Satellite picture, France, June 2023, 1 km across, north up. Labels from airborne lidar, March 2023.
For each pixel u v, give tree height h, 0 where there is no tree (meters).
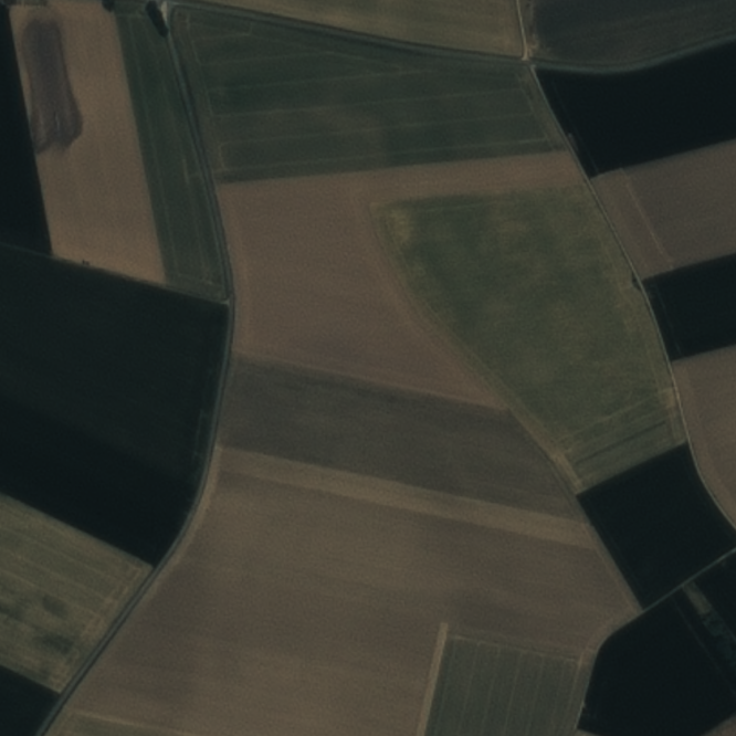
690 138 0
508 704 0
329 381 0
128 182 0
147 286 0
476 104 0
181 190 0
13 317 0
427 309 0
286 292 0
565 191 0
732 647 14
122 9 0
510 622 0
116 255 0
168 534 0
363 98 0
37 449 0
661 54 0
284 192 0
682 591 0
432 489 0
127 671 0
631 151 0
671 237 0
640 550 0
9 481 0
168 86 0
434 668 0
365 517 0
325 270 0
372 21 0
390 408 0
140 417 0
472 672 0
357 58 0
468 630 0
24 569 0
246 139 0
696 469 0
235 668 0
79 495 0
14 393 0
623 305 0
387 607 0
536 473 0
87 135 0
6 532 0
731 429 0
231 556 0
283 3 0
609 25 0
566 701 0
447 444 0
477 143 0
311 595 0
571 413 0
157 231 0
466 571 0
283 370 0
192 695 0
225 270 0
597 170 0
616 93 0
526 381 0
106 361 0
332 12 0
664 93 0
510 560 0
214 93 0
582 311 0
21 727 0
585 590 0
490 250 0
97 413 0
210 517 0
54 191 0
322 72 0
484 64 0
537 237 0
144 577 0
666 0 0
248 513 0
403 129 0
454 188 0
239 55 0
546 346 0
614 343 0
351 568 0
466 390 0
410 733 0
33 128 0
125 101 0
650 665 0
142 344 0
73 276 0
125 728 0
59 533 0
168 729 0
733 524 0
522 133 0
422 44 0
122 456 0
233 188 0
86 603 0
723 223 0
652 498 0
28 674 0
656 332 0
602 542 0
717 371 0
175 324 0
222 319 0
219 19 0
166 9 0
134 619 0
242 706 0
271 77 0
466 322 0
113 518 0
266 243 0
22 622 0
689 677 0
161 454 0
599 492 0
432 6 0
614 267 0
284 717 0
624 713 0
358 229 0
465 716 0
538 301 0
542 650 0
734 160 0
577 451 0
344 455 0
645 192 0
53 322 0
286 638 0
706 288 0
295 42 0
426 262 0
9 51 0
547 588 0
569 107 0
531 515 0
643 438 0
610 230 0
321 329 0
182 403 0
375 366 0
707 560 0
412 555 0
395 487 0
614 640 0
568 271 0
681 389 0
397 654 0
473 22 0
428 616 0
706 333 0
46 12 0
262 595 0
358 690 0
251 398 0
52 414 0
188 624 0
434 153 0
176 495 0
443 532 0
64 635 0
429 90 0
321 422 0
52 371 0
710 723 0
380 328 0
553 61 0
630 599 0
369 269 0
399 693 0
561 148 0
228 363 0
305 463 0
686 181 0
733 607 0
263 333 0
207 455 0
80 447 0
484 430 0
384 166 0
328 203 0
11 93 0
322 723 0
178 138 0
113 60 0
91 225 0
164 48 0
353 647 0
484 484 0
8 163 0
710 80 0
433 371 0
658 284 0
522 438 0
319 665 0
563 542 0
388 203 0
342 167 0
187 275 0
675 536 0
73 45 0
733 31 0
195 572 0
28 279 0
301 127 0
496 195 0
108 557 0
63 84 0
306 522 0
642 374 0
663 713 0
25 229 0
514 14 0
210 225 0
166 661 0
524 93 0
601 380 0
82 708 0
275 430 0
